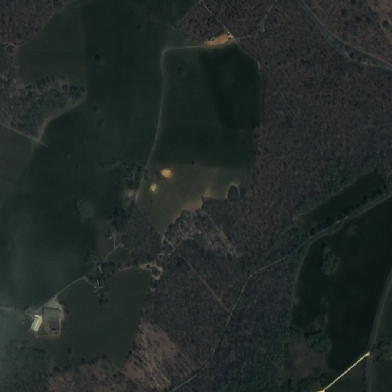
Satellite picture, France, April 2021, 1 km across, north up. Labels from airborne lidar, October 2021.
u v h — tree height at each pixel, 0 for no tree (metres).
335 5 0
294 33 9
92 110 0
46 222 0
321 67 7
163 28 0
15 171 0
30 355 22
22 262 0
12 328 0
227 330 21
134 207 17
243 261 15
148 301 14
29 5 19
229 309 24
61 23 0
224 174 0
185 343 15
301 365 0
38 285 0
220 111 0
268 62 9
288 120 14
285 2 14
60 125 0
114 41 0
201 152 0
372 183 0
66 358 0
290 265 15
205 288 14
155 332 15
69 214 0
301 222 0
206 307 18
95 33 0
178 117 0
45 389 26
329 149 14
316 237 20
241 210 8
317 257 0
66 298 0
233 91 0
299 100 11
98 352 0
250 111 0
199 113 0
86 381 17
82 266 0
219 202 10
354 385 0
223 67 0
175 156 0
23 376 24
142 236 22
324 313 0
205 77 0
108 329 0
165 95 0
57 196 0
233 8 7
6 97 18
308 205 27
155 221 0
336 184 23
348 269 0
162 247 13
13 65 14
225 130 0
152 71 0
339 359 0
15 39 8
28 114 13
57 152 0
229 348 15
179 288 14
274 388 27
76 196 0
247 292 19
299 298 0
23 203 0
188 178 0
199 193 0
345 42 15
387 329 0
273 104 10
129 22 0
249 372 18
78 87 0
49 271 0
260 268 22
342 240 0
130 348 0
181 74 19
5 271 0
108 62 0
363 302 0
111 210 0
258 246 15
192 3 0
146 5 0
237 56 0
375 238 0
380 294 0
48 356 21
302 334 13
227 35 0
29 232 0
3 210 0
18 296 0
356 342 0
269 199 9
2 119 17
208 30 7
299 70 6
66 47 0
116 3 0
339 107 8
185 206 0
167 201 0
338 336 0
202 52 0
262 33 11
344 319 0
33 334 0
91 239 0
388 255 0
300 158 11
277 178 8
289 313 14
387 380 0
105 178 0
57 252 0
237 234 19
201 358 21
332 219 0
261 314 19
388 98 6
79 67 0
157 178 8
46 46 0
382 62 0
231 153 0
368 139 13
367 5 0
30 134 24
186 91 0
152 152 0
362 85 11
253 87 0
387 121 10
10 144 0
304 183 17
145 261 23
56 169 0
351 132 10
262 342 23
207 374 27
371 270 0
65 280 0
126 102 0
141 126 0
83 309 0
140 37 0
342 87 11
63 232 0
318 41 7
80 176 0
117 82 0
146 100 0
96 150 0
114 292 0
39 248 0
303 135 19
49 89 14
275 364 22
